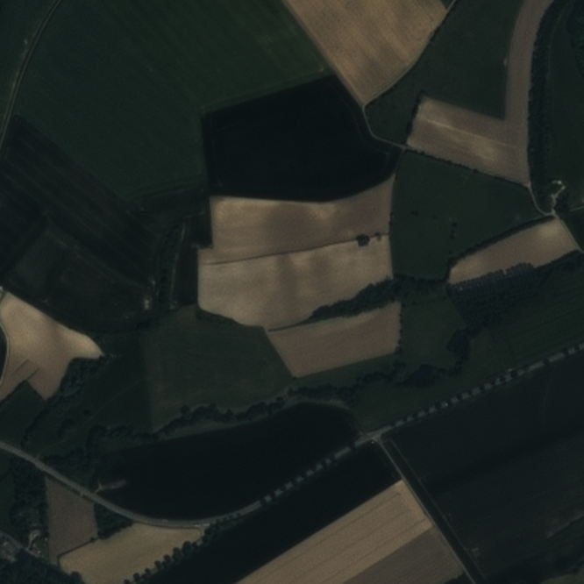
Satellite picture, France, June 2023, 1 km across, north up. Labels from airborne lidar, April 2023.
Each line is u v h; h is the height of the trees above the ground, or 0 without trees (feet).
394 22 0
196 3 0
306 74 0
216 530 33
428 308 0
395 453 0
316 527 0
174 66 0
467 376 0
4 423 0
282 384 0
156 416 0
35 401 0
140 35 0
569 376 0
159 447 0
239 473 0
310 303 0
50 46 0
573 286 0
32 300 0
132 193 0
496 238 26
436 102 0
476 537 0
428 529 0
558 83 0
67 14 0
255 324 0
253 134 0
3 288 0
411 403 0
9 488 0
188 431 0
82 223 0
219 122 0
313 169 0
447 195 0
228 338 0
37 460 0
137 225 0
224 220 0
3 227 0
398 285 71
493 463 0
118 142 0
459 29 0
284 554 0
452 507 0
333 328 0
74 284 0
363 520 0
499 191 0
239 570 0
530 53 0
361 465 0
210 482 0
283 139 0
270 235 0
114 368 0
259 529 0
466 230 0
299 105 0
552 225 0
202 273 0
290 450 0
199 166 0
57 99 0
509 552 0
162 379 0
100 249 0
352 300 22
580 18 76
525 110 0
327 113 0
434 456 0
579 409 0
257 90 0
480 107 0
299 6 0
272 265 0
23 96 0
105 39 0
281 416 0
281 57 0
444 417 0
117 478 0
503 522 0
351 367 0
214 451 0
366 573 0
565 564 0
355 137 0
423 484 0
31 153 0
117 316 0
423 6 0
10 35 0
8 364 0
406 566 0
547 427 0
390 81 0
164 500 0
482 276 0
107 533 39
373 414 0
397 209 0
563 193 0
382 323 0
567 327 0
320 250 0
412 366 0
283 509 0
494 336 0
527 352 0
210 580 0
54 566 0
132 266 0
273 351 0
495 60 0
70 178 0
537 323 0
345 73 0
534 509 0
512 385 0
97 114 0
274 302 0
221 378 0
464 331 25
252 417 37
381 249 0
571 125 0
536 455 0
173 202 0
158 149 0
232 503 0
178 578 0
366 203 0
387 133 0
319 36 0
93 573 0
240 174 0
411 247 0
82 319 0
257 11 0
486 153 0
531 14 0
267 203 0
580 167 0
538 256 0
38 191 0
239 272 0
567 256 26
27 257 0
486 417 0
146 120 0
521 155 0
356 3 0
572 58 0
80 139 0
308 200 0
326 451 0
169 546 0
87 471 46
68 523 0
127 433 46
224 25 0
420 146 0
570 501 0
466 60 0
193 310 0
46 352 0
